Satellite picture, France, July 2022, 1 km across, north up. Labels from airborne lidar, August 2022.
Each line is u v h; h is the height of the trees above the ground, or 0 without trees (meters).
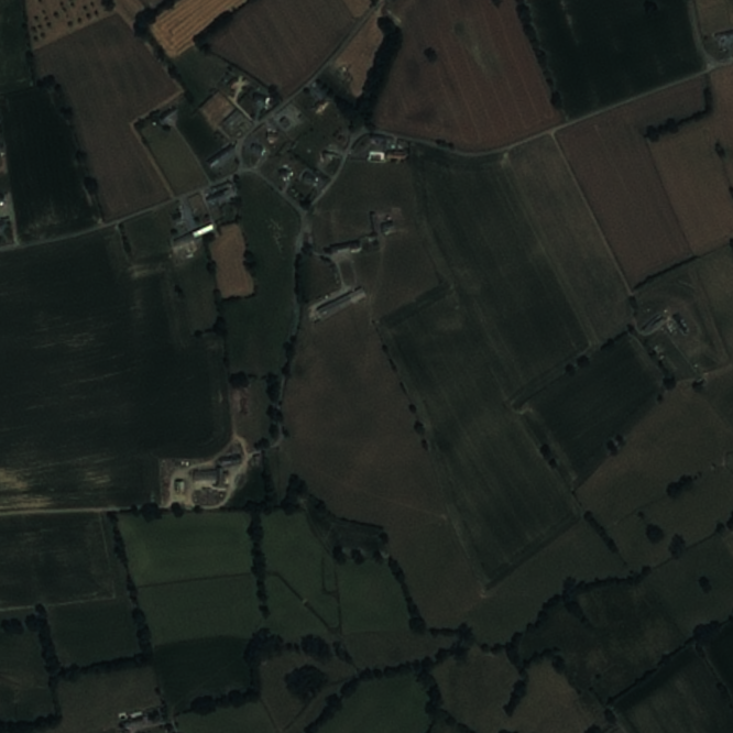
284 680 0
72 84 0
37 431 0
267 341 0
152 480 0
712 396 0
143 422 0
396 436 0
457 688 0
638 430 0
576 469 0
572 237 0
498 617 0
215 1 0
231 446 0
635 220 0
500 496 0
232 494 0
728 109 0
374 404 0
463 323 0
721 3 0
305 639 0
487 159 0
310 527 0
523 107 0
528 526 0
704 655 12
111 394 0
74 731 0
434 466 0
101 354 0
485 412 0
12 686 0
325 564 0
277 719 0
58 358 0
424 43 0
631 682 0
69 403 0
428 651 0
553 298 0
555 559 0
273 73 0
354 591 0
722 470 0
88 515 0
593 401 0
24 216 0
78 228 0
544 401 0
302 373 0
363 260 0
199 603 0
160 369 0
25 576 0
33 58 15
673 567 0
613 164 0
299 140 0
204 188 0
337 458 0
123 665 15
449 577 0
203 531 0
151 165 0
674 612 0
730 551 0
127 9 0
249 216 0
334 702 14
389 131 0
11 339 0
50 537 0
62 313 0
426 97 0
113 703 0
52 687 10
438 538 0
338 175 0
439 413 0
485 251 0
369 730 0
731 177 0
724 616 0
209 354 0
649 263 0
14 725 11
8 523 0
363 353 0
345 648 18
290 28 0
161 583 0
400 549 0
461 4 0
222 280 0
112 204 0
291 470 0
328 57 0
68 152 0
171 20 0
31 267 0
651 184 0
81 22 6
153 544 0
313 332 0
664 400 10
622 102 0
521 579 0
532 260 0
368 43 0
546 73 6
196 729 0
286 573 0
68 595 0
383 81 20
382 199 0
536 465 0
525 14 17
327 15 0
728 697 12
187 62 0
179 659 0
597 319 0
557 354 0
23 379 0
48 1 0
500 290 0
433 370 0
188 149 0
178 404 0
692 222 0
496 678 0
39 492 0
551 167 0
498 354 0
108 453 0
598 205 0
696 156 0
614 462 0
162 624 0
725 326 0
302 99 0
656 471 0
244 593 0
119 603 0
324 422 0
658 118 0
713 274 0
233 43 0
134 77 0
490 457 0
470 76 0
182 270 0
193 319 0
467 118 0
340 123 0
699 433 0
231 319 0
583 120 0
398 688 0
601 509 0
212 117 0
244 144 0
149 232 0
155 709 0
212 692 0
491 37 0
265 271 0
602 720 0
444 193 0
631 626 0
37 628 18
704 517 0
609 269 0
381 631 0
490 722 0
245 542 0
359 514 0
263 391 0
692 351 0
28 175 0
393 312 0
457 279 0
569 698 0
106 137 0
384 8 0
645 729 0
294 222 0
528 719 0
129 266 0
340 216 0
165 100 0
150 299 0
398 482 0
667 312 0
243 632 0
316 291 0
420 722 0
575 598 21
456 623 0
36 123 0
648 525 0
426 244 0
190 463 0
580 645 0
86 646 0
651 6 17
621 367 0
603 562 0
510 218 0
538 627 11
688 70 0
